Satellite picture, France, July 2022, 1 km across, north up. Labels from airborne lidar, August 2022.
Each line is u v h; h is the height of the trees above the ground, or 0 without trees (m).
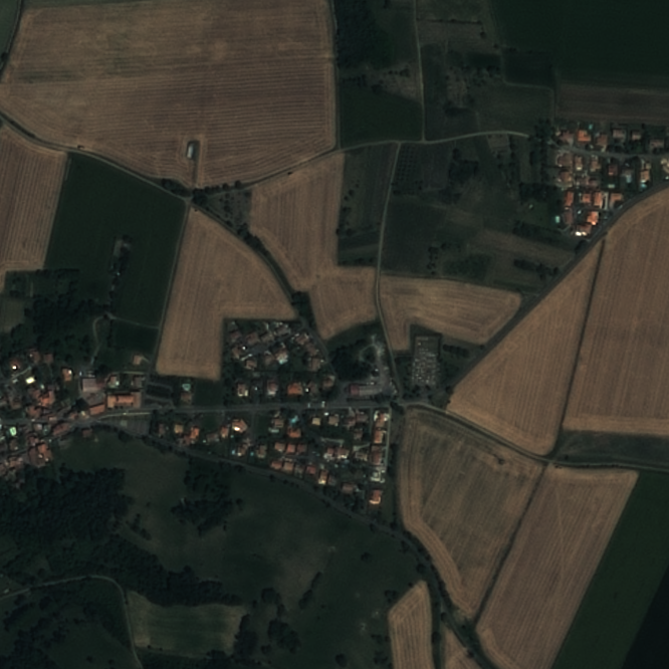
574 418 0
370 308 0
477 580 0
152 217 0
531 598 0
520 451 0
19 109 0
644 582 0
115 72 0
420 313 0
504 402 0
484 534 0
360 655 0
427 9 0
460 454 0
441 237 0
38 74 0
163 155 0
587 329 0
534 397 0
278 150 0
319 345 0
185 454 10
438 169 0
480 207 0
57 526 11
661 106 0
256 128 0
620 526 0
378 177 0
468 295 0
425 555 15
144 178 0
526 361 0
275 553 0
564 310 0
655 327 0
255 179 0
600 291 0
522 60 0
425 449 0
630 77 0
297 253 0
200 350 0
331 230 0
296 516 0
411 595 0
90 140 0
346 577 0
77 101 0
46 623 10
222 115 0
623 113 0
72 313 10
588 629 0
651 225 0
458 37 0
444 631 0
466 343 0
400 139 0
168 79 0
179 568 0
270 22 0
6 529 11
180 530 0
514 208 0
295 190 0
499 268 0
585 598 0
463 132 0
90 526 15
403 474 0
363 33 7
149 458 0
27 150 0
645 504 0
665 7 0
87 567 9
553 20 0
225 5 0
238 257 0
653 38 0
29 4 0
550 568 0
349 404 6
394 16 0
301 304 9
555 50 0
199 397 0
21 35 0
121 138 0
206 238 0
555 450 0
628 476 0
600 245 0
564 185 0
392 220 0
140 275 0
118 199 0
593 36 0
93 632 0
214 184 0
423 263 0
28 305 0
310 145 0
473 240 0
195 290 0
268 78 0
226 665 12
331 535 0
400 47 0
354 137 0
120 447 0
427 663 0
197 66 0
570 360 0
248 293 0
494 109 0
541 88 0
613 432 0
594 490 0
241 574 0
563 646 0
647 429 0
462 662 0
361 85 8
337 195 0
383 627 0
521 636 0
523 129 0
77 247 0
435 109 0
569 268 0
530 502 0
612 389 0
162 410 0
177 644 0
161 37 0
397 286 0
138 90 0
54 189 0
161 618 0
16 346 8
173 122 0
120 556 11
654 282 0
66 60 0
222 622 0
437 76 0
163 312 0
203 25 0
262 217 0
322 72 0
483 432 0
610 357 0
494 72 14
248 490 0
